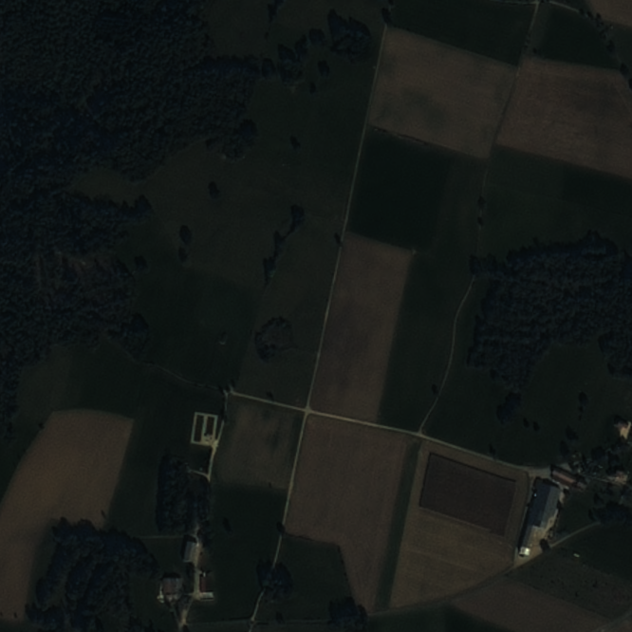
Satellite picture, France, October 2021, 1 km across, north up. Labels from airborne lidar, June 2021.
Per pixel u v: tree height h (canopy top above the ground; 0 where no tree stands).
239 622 0
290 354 0
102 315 16
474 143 0
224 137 20
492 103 0
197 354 0
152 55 19
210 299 0
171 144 14
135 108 15
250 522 0
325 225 0
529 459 0
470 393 0
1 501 0
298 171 0
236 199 0
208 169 0
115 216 19
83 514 0
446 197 0
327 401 0
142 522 0
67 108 18
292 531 0
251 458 0
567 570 0
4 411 10
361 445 0
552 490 0
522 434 0
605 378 0
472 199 0
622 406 0
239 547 0
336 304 0
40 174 16
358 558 0
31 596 0
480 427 0
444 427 0
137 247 0
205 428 0
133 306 13
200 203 0
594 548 0
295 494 0
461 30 0
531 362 9
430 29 0
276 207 0
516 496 0
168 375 0
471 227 0
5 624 0
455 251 0
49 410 0
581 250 9
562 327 10
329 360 0
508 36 0
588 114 0
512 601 0
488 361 6
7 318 19
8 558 0
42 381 0
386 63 0
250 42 0
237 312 0
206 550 18
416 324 0
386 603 0
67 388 0
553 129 0
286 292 0
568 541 0
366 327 0
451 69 0
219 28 0
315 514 0
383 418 0
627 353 13
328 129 0
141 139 21
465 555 0
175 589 0
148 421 0
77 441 0
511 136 0
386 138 0
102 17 28
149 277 0
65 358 0
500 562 0
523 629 0
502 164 0
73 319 20
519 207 0
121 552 22
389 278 0
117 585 11
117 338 14
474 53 0
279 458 0
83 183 0
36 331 16
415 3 0
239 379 0
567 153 0
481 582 0
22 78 14
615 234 0
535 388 0
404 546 0
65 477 0
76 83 20
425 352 0
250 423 0
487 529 0
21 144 16
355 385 0
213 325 0
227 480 0
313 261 0
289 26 0
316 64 0
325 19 0
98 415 0
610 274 13
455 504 0
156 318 0
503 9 0
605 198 0
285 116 0
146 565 19
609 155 0
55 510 0
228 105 18
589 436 0
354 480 0
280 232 0
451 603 0
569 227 0
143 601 0
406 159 0
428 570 0
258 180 0
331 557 0
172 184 0
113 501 0
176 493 20
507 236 0
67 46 18
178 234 0
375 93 0
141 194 0
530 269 9
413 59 0
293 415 0
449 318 0
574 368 0
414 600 0
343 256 0
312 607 0
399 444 0
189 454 0
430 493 0
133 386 0
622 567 0
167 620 0
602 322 12
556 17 0
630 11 0
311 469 0
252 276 0
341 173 0
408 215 0
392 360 0
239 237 0
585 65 0
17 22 23
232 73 19
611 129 0
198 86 16
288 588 26
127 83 19
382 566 0
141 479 0
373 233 0
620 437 0
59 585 14
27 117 17
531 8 0
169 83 22
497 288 14
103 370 0
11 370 13
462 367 0
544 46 0
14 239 22
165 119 14
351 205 0
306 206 0
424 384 0
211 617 0
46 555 0
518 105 0
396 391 0
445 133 0
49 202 22
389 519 0
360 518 0
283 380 0
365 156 0
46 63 15
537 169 0
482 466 0
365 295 0
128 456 0
